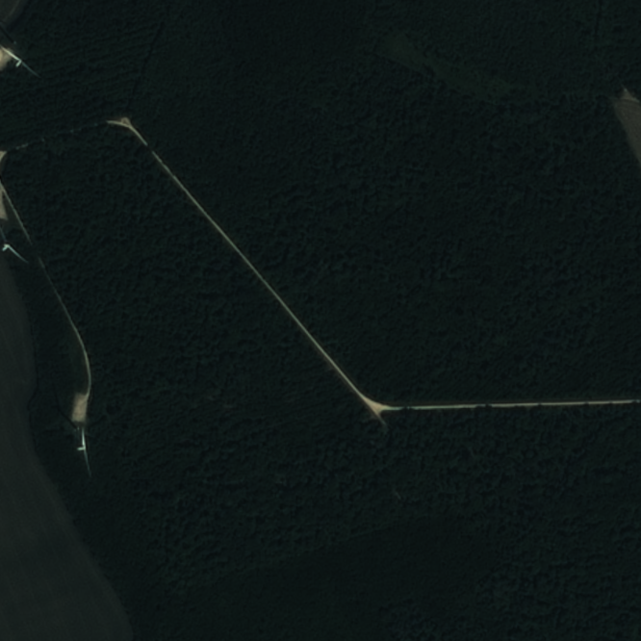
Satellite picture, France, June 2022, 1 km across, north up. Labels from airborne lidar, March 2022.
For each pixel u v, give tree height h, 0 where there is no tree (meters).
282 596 8
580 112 17
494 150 25
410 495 11
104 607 0
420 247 7
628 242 22
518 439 19
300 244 15
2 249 8
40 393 12
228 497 22
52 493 0
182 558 20
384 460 19
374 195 20
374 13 11
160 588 15
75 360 0
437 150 7
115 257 8
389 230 12
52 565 0
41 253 16
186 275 13
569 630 21
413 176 20
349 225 22
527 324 16
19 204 9
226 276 17
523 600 17
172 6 15
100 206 8
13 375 0
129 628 0
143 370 6
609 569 17
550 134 14
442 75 0
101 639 0
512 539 6
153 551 19
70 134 19
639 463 18
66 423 0
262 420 13
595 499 22
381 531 9
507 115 13
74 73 12
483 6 9
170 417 7
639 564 13
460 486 19
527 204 16
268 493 23
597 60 15
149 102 16
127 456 10
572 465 18
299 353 18
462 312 22
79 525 14
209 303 17
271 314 17
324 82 13
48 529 0
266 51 20
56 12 12
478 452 16
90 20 20
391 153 16
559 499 19
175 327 8
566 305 16
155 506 16
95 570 0
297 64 12
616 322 8
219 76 15
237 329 18
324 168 20
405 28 12
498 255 8
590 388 13
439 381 10
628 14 18
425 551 9
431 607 10
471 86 0
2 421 0
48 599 0
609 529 17
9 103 10
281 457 13
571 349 20
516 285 20
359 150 24
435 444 18
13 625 0
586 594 19
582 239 18
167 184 20
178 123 16
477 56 12
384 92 15
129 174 7
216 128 18
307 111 20
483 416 18
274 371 20
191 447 17
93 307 16
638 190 18
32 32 16
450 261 20
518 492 17
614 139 16
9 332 0
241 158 17
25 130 7
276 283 16
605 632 10
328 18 17
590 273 17
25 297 10
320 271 24
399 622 16
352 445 22
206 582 15
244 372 21
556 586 22
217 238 15
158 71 13
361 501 18
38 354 8
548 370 21
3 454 0
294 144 21
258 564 12
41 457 11
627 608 16
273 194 21
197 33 11
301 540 18
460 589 7
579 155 7
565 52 13
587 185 12
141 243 10
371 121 19
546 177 12
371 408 0
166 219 10
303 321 10
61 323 12
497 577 18
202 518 16
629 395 9
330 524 17
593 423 10
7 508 0
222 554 22
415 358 6
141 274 19
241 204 15
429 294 9
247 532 18
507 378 17
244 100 18
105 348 10
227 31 15
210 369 21
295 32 18
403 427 19
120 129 11
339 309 6
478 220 10
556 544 17
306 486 21
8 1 0
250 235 19
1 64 0
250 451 21
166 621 8
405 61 0
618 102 0
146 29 5
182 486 17
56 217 14
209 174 16
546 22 12
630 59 17
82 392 0
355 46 17
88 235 14
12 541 0
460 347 21
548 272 23
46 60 6
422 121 24
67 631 0
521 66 13
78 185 11
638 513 17
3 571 0
